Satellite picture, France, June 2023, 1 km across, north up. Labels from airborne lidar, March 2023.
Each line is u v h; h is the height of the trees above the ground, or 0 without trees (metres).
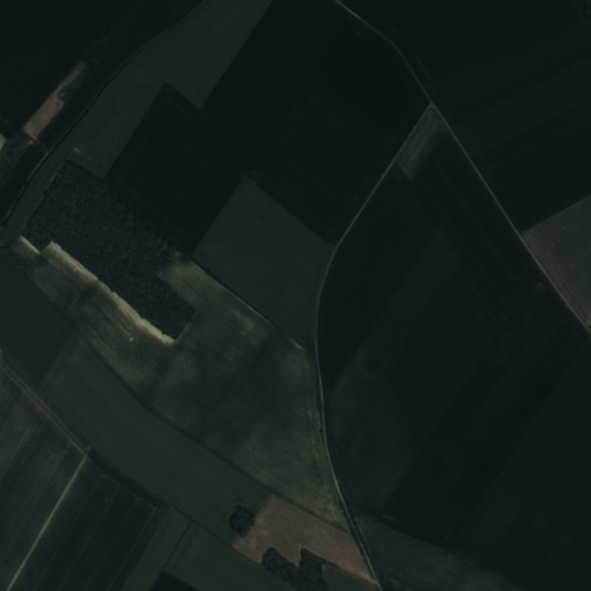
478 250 0
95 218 15
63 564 0
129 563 0
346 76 0
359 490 0
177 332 6
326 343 0
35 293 0
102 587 0
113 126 0
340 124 0
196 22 0
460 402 0
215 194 0
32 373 0
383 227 0
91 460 0
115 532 0
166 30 0
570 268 0
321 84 0
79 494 0
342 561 0
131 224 13
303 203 0
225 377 0
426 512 0
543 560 0
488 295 0
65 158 0
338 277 0
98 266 8
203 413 0
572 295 0
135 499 0
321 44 0
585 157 0
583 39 0
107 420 0
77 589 0
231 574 0
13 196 0
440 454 0
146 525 0
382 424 0
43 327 0
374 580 0
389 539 0
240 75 0
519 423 0
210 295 0
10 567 0
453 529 0
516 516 0
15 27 0
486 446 0
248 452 0
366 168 0
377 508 0
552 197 0
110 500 0
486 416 0
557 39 0
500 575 0
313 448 0
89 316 0
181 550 0
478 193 0
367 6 0
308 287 0
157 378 0
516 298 0
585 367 0
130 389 0
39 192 0
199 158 0
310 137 0
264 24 0
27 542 0
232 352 0
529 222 0
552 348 0
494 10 0
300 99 0
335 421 0
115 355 0
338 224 0
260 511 0
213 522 0
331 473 0
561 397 0
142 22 0
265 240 0
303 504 0
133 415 0
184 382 0
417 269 0
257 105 0
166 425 0
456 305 0
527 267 0
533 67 0
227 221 0
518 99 0
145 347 0
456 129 0
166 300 12
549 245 0
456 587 0
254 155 0
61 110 0
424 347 0
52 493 0
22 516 0
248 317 0
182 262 0
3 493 0
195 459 0
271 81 0
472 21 0
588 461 0
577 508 0
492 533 0
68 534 0
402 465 0
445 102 0
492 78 0
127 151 0
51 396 0
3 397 0
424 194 0
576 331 0
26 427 0
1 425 0
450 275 0
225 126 0
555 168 0
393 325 0
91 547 0
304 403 0
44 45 0
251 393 0
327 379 0
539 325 0
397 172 0
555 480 0
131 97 0
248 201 0
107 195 15
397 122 0
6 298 0
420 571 0
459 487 0
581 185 0
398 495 0
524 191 0
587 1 9
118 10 0
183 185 0
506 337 0
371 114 0
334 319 0
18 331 0
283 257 0
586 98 0
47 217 8
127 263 18
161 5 0
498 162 0
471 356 0
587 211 0
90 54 0
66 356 0
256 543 0
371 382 0
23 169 0
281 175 0
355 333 0
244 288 0
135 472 0
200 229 0
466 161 0
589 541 0
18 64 0
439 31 0
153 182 0
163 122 0
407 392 0
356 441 0
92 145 0
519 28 0
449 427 0
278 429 0
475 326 0
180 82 0
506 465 0
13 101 0
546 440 0
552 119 0
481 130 0
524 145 0
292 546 0
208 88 0
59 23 0
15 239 0
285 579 12
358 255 0
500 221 0
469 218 0
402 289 0
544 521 0
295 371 0
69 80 0
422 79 0
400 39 0
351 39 0
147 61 0
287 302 0
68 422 0
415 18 0
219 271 0
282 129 0
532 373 0
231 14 0
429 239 0
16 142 11
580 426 0
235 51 0
